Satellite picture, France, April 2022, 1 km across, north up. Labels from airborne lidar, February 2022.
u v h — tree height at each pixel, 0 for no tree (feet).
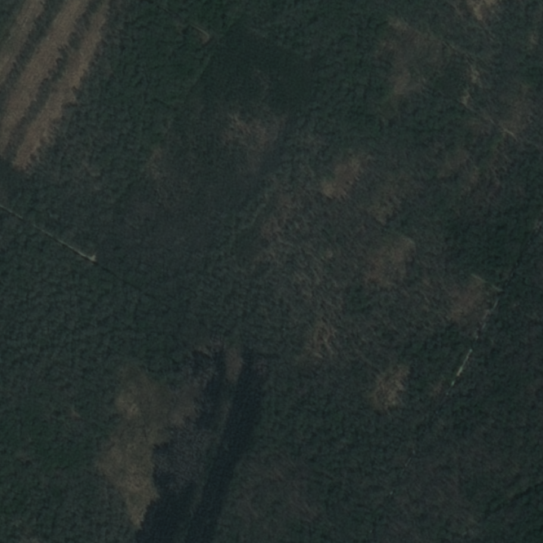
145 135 81
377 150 69
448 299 71
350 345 53
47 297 67
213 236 50
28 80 0
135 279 76
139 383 0
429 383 59
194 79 82
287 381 88
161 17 87
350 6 66
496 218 76
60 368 62
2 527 69
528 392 75
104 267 52
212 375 72
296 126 57
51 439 73
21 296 80
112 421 48
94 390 78
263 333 83
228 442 70
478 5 0
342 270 69
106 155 77
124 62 62
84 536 84
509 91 78
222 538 70
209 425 71
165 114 78
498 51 85
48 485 69
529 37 83
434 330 71
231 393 41
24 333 63
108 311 88
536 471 84
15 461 68
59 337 70
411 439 79
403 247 0
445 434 63
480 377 63
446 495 92
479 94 79
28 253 67
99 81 80
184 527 37
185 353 61
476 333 0
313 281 53
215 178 32
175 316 70
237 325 72
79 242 76
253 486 82
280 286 79
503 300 74
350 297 70
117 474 0
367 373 73
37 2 0
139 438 0
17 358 64
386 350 79
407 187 0
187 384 78
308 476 90
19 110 0
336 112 59
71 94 0
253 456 78
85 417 70
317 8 88
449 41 77
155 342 80
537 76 65
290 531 79
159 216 49
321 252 79
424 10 71
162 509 65
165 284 74
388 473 79
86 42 0
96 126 87
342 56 74
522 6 79
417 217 72
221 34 69
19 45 0
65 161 70
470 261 85
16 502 52
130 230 75
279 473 89
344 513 81
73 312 65
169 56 84
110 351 42
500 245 52
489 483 84
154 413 0
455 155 72
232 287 92
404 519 83
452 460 86
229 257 72
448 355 69
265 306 83
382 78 87
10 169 62
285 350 86
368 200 82
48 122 0
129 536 64
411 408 71
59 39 0
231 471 71
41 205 78
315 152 72
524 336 71
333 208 65
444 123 70
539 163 74
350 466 92
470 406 78
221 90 30
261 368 81
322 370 67
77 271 44
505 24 69
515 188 72
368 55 82
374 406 0
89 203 71
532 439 89
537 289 82
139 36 84
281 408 84
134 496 0
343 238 72
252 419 83
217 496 61
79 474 73
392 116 0
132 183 40
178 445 66
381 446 24
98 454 76
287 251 70
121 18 72
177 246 77
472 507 87
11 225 75
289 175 78
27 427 79
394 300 69
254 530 94
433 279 82
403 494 88
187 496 64
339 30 59
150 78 83
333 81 73
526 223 69
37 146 0
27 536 74
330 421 95
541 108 86
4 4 78
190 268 70
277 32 52
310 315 69
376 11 81
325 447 82
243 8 82
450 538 70
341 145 76
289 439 83
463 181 73
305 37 56
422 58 0
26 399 70
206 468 44
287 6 64
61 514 84
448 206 82
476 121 0
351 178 0
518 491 77
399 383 0
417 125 77
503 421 83
